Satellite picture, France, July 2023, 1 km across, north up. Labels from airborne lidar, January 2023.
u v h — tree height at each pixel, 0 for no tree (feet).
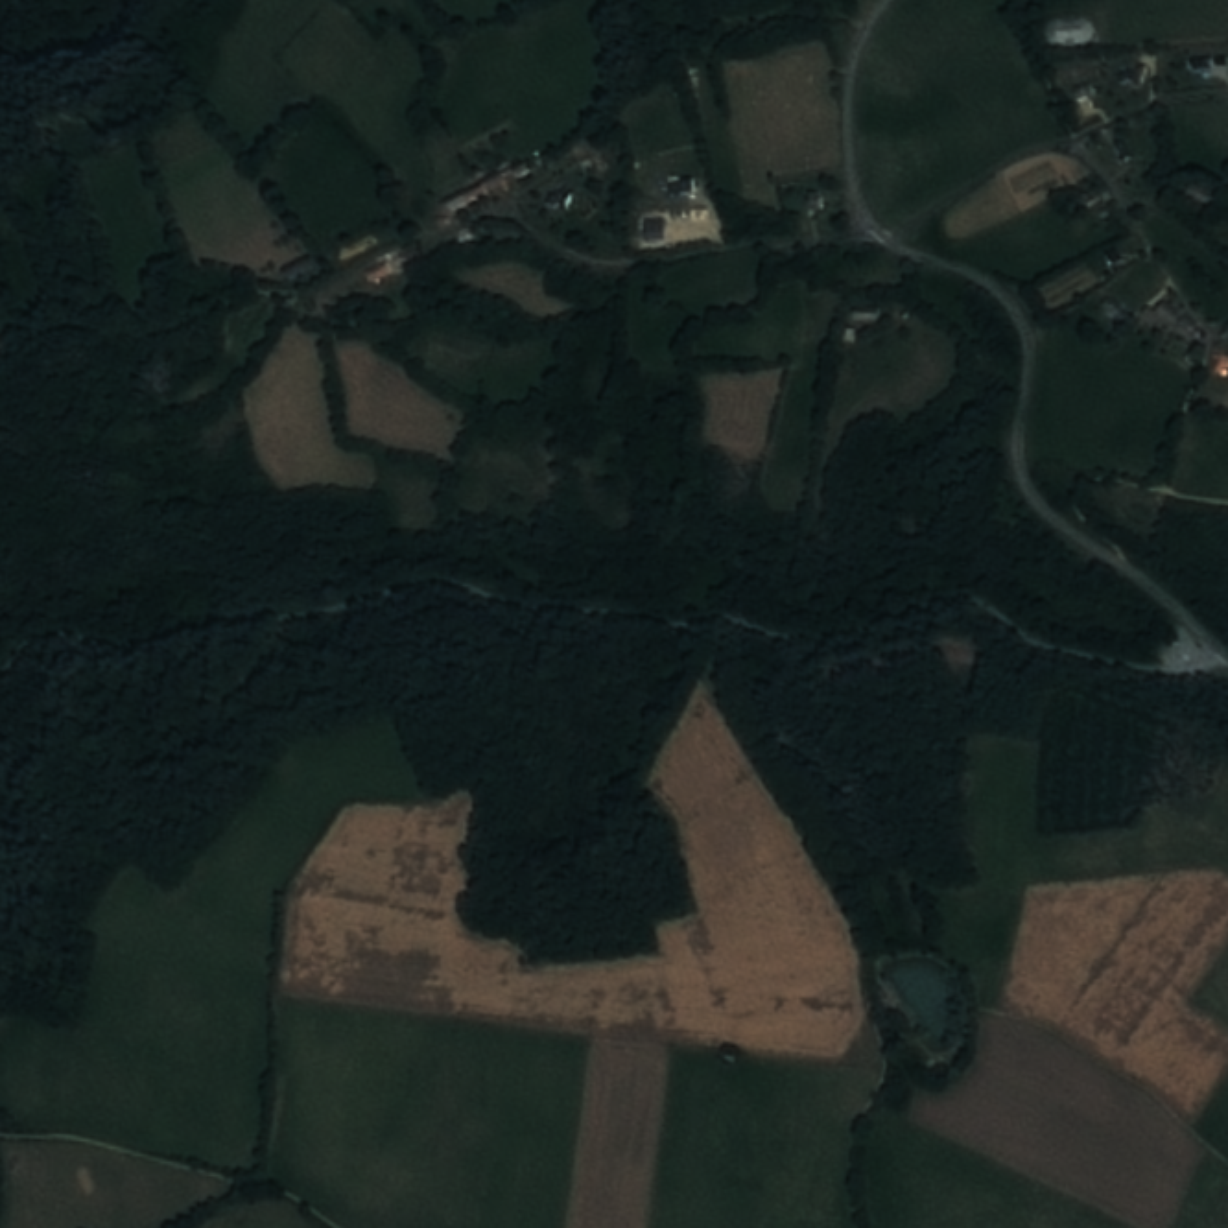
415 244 35
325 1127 0
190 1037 0
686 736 0
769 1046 0
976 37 0
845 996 0
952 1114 0
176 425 60
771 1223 0
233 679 89
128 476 83
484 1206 0
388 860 0
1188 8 0
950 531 46
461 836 0
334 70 0
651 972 0
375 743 0
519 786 69
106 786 45
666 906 70
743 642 34
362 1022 0
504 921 57
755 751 56
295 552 53
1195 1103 0
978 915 0
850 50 0
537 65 0
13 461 69
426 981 0
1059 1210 0
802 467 0
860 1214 29
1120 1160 0
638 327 0
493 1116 0
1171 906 0
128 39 97
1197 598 20
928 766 62
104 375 52
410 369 49
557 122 0
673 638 56
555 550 60
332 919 0
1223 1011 0
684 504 62
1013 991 0
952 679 38
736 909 0
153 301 60
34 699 24
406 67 0
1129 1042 0
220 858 0
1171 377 0
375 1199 0
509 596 23
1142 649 51
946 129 0
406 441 0
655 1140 0
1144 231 0
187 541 72
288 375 0
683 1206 0
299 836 0
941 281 0
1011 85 0
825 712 58
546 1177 0
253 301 48
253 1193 58
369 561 21
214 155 0
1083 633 25
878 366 0
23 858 106
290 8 0
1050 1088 0
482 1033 0
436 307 40
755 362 27
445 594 29
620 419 30
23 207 50
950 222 0
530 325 53
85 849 69
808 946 0
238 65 0
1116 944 0
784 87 0
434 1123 0
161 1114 0
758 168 0
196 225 0
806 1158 0
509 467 0
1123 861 0
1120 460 0
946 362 0
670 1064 0
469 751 55
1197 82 0
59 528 70
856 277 0
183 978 0
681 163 0
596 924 58
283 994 0
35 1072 0
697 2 47
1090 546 0
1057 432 0
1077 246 0
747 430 0
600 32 57
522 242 37
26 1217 0
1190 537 23
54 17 47
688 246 22
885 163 0
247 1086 0
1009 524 35
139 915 0
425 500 0
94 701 63
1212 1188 0
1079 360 0
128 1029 0
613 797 38
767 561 37
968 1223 0
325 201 0
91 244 21
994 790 0
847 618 54
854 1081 0
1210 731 42
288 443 0
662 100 0
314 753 0
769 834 0
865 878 55
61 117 102
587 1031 0
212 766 87
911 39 0
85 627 53
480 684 63
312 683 27
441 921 0
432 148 0
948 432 34
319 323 19
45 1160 0
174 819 26
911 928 0
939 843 65
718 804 0
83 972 28
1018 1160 0
